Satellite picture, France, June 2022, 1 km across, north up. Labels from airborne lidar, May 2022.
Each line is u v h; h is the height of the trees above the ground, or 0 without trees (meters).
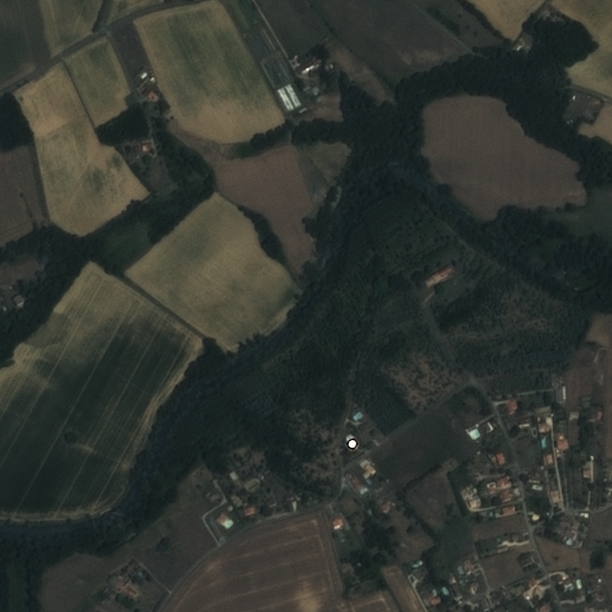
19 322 22
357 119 25
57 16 0
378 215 29
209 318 0
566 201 0
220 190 0
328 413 8
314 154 0
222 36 0
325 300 13
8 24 0
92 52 0
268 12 0
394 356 7
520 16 0
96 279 0
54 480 0
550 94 17
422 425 0
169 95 0
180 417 29
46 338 0
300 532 0
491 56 9
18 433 0
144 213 8
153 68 0
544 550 0
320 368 11
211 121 0
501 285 9
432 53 0
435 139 0
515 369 13
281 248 13
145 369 0
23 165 0
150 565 0
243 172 0
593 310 12
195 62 0
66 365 0
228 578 0
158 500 14
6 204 0
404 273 10
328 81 9
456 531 0
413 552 0
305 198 0
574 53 13
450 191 18
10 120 14
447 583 8
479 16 12
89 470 0
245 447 18
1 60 0
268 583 0
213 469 16
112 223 6
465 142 0
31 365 0
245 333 0
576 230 0
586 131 0
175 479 13
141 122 10
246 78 0
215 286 0
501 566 0
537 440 9
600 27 0
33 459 0
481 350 8
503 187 0
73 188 0
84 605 0
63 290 17
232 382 21
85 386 0
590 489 7
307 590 0
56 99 0
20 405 0
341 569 0
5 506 0
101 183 0
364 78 0
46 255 18
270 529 0
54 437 0
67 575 0
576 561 0
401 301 7
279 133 16
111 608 0
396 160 25
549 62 22
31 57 0
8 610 21
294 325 16
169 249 0
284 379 10
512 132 0
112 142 11
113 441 0
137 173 6
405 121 24
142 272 0
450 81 22
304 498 13
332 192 13
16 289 11
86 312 0
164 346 0
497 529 0
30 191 0
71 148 0
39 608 15
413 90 19
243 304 0
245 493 11
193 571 0
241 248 0
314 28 0
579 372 0
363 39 0
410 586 0
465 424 0
